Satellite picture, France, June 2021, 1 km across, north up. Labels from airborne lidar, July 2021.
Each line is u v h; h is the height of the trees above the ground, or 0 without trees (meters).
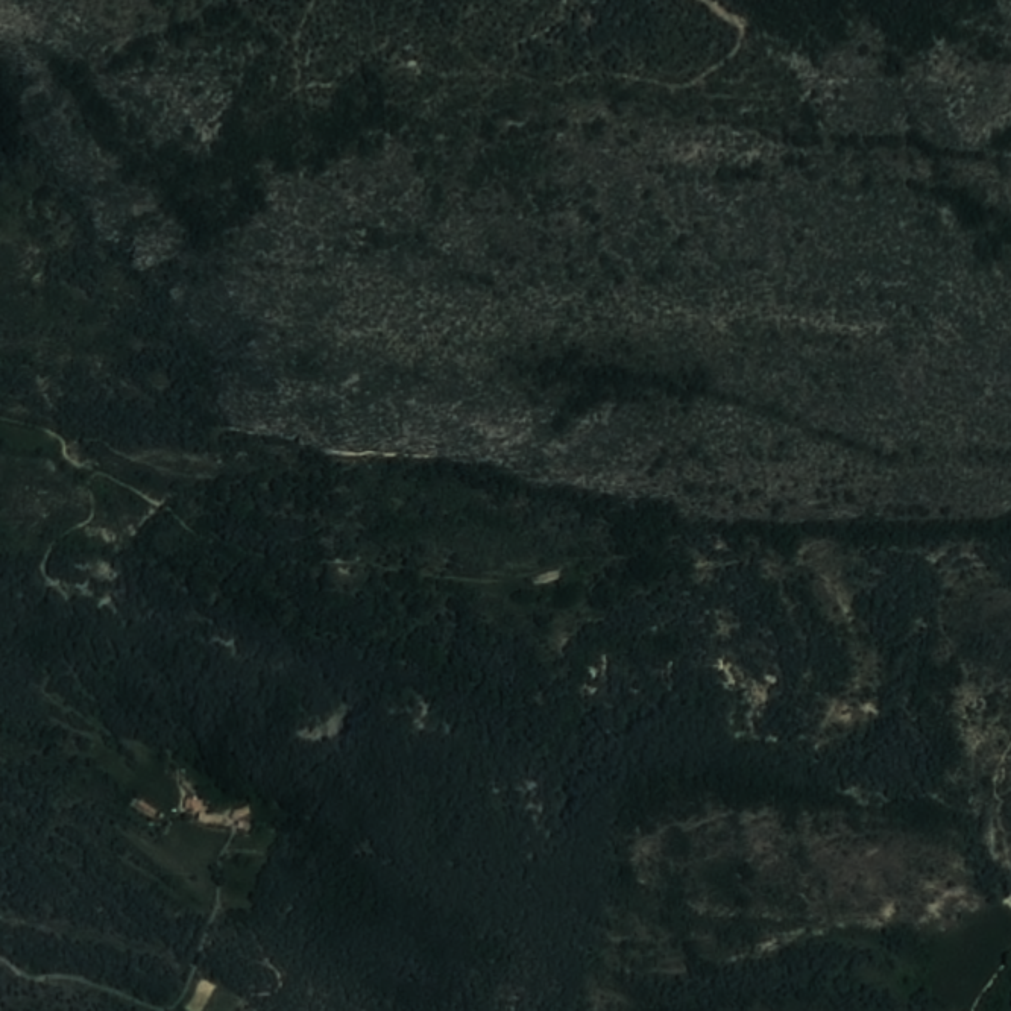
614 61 7
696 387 7
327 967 9
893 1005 10
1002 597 0
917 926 0
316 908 15
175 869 0
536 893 12
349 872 15
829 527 8
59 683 6
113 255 8
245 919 10
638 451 0
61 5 0
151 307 7
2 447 9
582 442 0
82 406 8
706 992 15
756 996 9
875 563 8
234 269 0
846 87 0
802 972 14
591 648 11
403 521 6
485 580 0
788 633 9
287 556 11
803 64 0
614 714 15
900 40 7
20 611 14
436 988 11
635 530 12
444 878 15
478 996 11
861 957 11
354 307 0
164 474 0
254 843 0
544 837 9
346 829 11
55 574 10
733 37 8
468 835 16
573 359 7
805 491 0
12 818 11
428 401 0
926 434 0
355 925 12
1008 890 12
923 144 11
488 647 12
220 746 18
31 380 8
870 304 0
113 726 12
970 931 0
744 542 6
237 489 10
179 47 6
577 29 9
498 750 12
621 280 8
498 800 9
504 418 0
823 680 7
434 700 15
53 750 12
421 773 15
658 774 9
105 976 10
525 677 14
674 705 13
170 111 0
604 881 9
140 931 9
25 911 10
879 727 11
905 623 9
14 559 10
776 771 12
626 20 8
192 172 9
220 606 16
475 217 0
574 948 10
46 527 6
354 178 0
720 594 7
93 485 7
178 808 0
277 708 16
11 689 12
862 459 0
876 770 15
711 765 10
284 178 0
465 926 9
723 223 0
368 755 17
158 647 15
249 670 12
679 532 8
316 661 18
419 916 11
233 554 14
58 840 11
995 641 8
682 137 0
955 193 6
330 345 0
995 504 0
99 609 15
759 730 11
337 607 13
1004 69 0
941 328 0
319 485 10
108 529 0
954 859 0
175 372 8
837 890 0
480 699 12
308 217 0
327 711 14
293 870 13
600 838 15
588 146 0
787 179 0
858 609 9
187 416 8
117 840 7
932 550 8
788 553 9
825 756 11
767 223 0
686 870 6
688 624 11
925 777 11
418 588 6
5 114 15
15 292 0
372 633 12
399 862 11
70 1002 10
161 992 11
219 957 7
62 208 7
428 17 7
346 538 10
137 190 0
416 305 0
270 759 19
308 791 17
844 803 6
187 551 6
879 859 0
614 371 6
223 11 8
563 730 12
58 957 7
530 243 0
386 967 14
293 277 0
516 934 8
